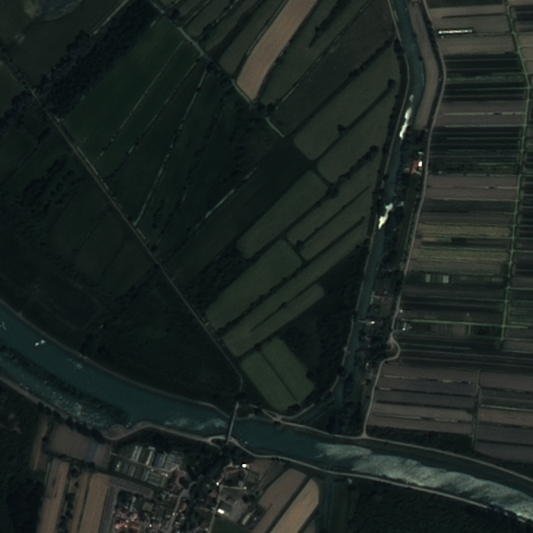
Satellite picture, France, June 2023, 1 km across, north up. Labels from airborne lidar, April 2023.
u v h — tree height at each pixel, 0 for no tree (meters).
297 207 0
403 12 0
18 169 0
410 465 0
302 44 0
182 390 0
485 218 0
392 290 0
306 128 0
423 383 0
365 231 0
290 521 0
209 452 14
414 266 0
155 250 12
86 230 0
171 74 0
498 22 0
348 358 0
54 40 0
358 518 10
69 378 0
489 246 0
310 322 0
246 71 0
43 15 0
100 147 0
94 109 0
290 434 0
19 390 0
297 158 0
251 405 0
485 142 0
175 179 0
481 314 0
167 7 0
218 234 0
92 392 0
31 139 14
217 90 0
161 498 9
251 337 0
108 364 0
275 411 0
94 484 0
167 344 0
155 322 0
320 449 0
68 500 10
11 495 10
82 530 0
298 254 0
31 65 0
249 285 0
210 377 0
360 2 0
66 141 0
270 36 0
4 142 0
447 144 0
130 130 0
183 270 0
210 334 0
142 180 0
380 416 0
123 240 0
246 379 0
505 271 0
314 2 0
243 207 0
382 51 8
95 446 0
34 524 13
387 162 0
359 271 7
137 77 0
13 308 0
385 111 0
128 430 0
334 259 0
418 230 0
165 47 0
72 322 0
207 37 7
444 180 0
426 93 0
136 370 0
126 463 0
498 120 0
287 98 0
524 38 0
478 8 0
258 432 0
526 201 0
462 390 0
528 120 0
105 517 0
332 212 0
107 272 0
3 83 0
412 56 0
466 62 0
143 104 0
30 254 0
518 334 0
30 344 0
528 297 0
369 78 0
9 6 0
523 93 0
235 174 9
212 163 0
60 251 0
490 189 0
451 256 0
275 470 0
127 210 0
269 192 0
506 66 0
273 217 0
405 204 0
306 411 0
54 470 0
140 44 0
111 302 6
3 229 0
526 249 0
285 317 0
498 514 28
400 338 0
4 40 0
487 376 0
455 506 6
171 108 0
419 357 0
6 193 9
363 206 0
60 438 0
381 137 0
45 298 0
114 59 9
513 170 0
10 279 0
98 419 0
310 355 0
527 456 0
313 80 0
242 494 0
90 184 0
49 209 11
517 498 0
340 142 0
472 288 0
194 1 0
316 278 0
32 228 6
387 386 0
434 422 0
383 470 0
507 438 0
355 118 0
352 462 0
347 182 0
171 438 0
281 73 0
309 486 0
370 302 0
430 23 11
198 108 0
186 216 0
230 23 0
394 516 7
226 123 0
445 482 0
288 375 0
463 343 0
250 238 0
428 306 0
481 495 0
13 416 0
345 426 13
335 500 0
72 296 0
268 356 0
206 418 0
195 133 0
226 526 0
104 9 0
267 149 0
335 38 0
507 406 0
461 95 0
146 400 0
